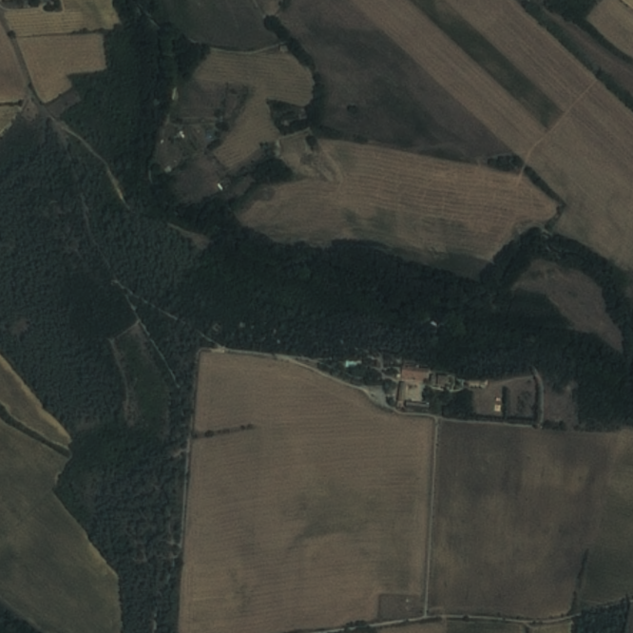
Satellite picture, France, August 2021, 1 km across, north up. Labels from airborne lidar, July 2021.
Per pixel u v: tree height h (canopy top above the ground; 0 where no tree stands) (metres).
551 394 0
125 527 12
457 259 0
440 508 0
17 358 17
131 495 19
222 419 0
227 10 0
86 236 10
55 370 14
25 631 21
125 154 9
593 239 0
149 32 28
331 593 0
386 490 0
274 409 0
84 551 0
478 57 0
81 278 8
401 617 0
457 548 0
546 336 12
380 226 0
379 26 0
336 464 0
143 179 12
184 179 0
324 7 0
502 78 0
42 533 0
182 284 8
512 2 0
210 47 11
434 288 31
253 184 9
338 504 0
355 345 6
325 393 0
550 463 0
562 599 0
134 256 20
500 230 0
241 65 0
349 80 0
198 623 0
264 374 0
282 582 0
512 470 0
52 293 14
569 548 0
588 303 0
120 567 9
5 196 15
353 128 0
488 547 0
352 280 30
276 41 0
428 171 0
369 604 0
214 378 0
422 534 0
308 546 0
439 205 0
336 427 0
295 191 0
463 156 0
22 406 0
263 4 0
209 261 8
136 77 11
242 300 9
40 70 0
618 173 0
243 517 0
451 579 0
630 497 0
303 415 0
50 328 13
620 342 0
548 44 0
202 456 0
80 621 0
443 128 0
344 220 0
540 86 0
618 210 0
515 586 0
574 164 0
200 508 0
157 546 16
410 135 0
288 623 0
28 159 14
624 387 22
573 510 0
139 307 6
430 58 0
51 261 16
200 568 0
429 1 0
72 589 0
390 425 0
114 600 0
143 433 8
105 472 8
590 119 0
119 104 7
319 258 26
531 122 0
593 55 0
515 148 0
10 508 0
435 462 0
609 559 0
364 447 0
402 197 0
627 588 0
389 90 0
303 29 0
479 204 0
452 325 29
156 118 27
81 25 0
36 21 0
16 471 0
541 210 0
